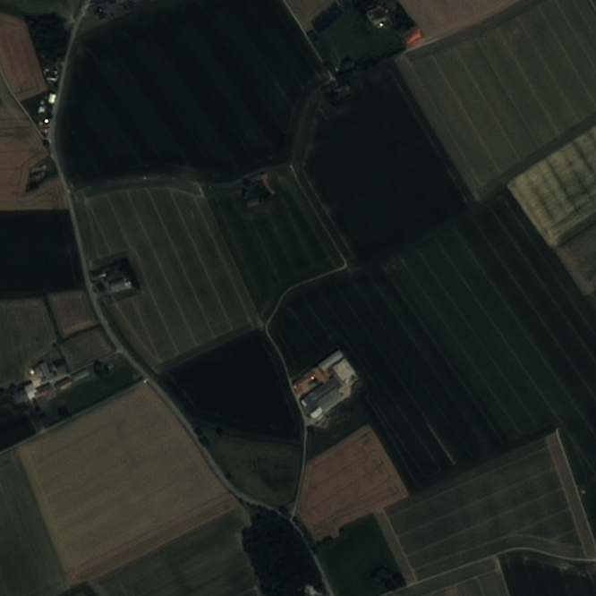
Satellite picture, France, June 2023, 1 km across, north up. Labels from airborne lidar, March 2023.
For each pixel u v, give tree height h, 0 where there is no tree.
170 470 0
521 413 0
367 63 7
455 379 0
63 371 0
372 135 0
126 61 0
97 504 0
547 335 0
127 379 0
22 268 0
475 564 0
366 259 0
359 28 0
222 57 0
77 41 0
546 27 0
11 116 0
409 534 0
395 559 0
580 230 0
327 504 0
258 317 0
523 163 0
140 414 0
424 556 0
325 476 0
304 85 0
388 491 0
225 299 0
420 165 0
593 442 0
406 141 0
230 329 0
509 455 0
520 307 0
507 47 0
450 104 0
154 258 0
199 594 0
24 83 0
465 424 0
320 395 0
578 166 0
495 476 0
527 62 0
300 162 0
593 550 0
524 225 0
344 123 0
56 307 0
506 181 0
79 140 0
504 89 0
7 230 0
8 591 0
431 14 0
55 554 0
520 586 0
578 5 0
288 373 0
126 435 0
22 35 0
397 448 0
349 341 0
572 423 0
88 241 0
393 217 0
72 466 0
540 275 0
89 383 0
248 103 0
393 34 0
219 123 0
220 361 0
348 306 0
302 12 0
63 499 0
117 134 0
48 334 0
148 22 0
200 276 0
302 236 0
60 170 0
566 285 0
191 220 0
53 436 0
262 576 25
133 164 0
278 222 0
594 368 0
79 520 0
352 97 0
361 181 0
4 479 0
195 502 0
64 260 0
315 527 0
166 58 0
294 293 0
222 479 0
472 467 0
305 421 0
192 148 0
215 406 0
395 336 0
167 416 0
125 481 0
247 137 0
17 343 0
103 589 0
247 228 0
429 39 0
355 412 0
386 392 0
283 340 0
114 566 0
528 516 0
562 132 0
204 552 0
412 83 0
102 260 0
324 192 0
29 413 0
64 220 0
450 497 0
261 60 0
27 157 0
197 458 0
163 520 0
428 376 0
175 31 0
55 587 0
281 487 0
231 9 0
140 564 0
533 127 0
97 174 0
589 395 0
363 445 0
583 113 0
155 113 0
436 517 0
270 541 25
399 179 0
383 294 0
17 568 0
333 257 0
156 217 0
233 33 0
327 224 0
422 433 0
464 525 0
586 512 0
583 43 0
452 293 0
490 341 0
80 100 0
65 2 0
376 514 0
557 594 0
